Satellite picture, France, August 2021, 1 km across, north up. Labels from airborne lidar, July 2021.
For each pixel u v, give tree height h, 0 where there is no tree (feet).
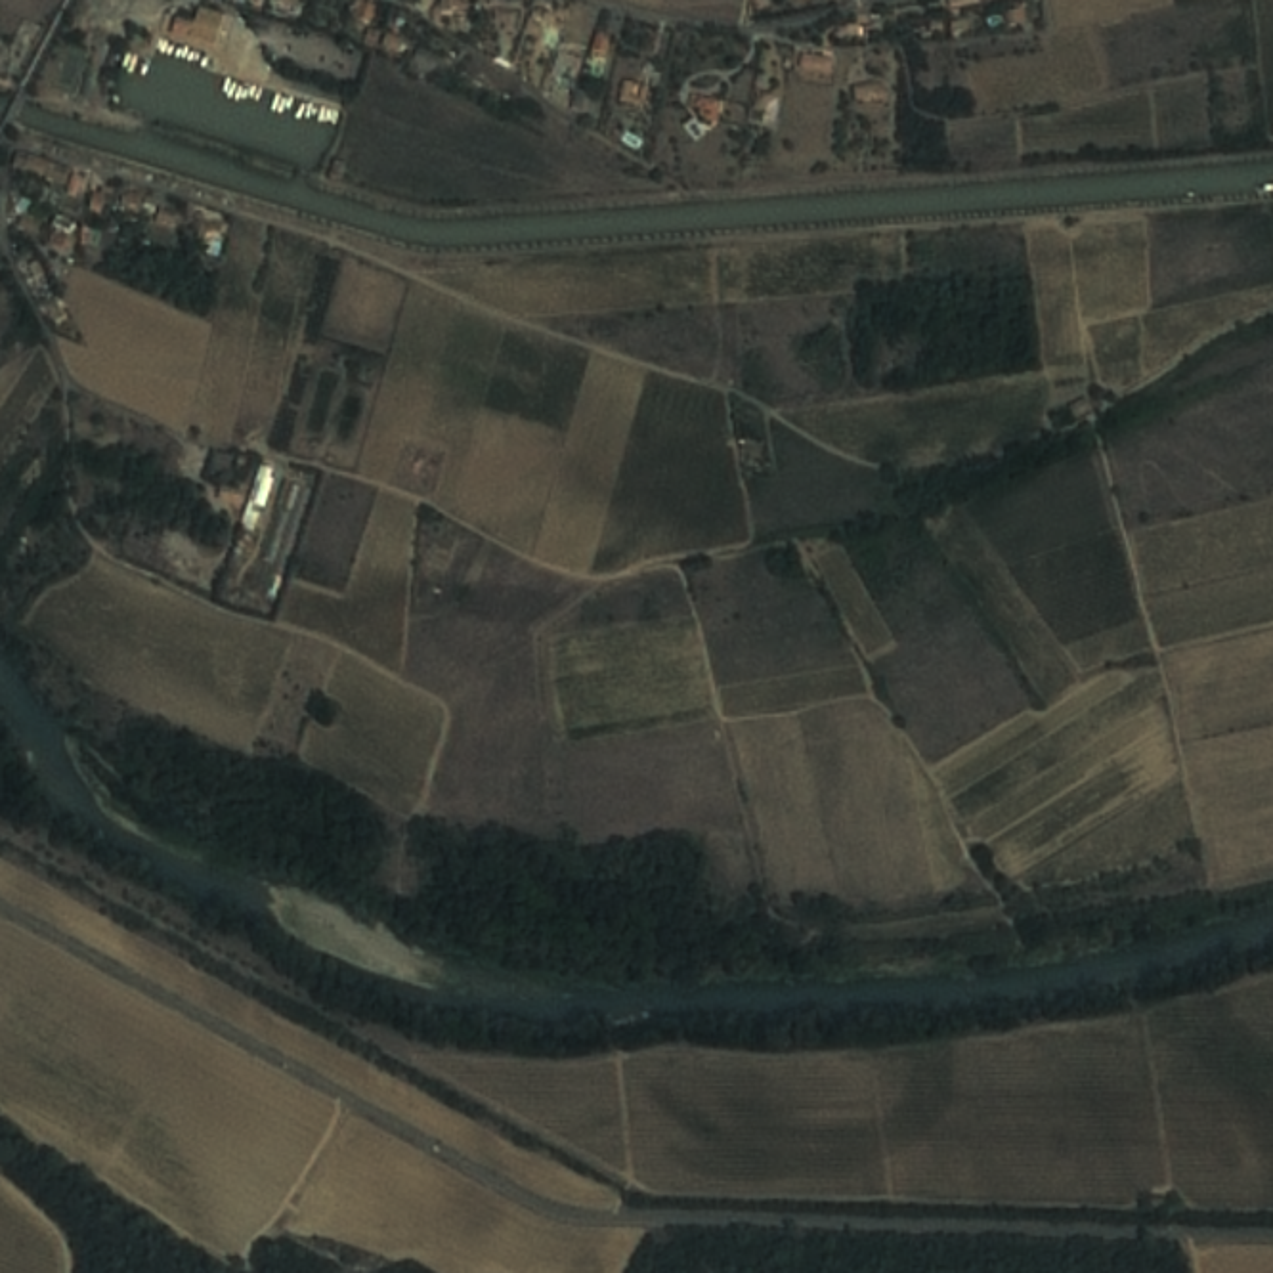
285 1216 0
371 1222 0
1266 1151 0
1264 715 0
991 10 22
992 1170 0
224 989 0
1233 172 0
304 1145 0
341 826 30
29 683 52
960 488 41
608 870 56
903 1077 0
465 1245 0
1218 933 0
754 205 0
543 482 0
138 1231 33
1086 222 0
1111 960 0
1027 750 0
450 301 0
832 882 0
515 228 0
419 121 0
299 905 0
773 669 0
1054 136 0
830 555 0
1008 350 24
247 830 38
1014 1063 0
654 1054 0
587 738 0
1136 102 0
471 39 27
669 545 0
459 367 0
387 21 25
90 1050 0
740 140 24
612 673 0
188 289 31
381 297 0
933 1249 46
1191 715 0
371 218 0
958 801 0
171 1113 0
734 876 0
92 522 34
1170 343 0
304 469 24
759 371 0
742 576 0
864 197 0
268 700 0
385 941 0
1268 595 0
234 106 0
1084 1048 0
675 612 0
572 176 0
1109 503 0
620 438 0
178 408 0
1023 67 0
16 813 40
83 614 0
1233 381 0
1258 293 0
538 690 0
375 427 0
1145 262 0
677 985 62
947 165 22
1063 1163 0
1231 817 0
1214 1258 0
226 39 0
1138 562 0
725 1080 0
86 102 0
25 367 0
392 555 0
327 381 0
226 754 33
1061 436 20
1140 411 0
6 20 0
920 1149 0
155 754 56
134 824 0
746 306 0
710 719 0
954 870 0
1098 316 0
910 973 0
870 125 20
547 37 0
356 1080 0
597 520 0
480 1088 0
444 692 0
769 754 0
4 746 76
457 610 0
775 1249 38
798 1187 0
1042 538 0
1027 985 0
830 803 0
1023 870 0
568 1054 19
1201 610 0
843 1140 0
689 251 0
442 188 0
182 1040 0
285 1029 0
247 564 0
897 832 0
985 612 18
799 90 0
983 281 18
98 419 23
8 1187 0
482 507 0
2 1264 0
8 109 0
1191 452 0
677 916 55
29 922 0
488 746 0
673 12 0
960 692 0
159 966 0
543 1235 0
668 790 0
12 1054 0
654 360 0
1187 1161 0
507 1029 60
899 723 28
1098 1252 26
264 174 0
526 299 0
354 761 0
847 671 0
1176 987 41
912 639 0
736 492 0
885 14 32
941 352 36
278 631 0
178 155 0
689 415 0
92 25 0
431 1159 0
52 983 0
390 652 0
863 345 60
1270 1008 0
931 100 28
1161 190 0
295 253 0
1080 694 0
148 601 0
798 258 0
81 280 0
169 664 0
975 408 0
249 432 0
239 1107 0
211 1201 0
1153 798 0
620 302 0
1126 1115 0
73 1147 0
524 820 0
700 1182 0
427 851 22
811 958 22
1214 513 0
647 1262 32
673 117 0
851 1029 60
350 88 44
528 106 24
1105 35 0
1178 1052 0
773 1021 42
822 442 0
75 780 0
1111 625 0
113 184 20
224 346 0
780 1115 0
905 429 0
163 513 25
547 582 0
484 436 0
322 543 0
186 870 0
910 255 21
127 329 0
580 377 0
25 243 31
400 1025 27
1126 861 0
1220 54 0
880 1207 30
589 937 34
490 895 64
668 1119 0
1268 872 0
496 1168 0
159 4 0
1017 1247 27
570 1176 0
